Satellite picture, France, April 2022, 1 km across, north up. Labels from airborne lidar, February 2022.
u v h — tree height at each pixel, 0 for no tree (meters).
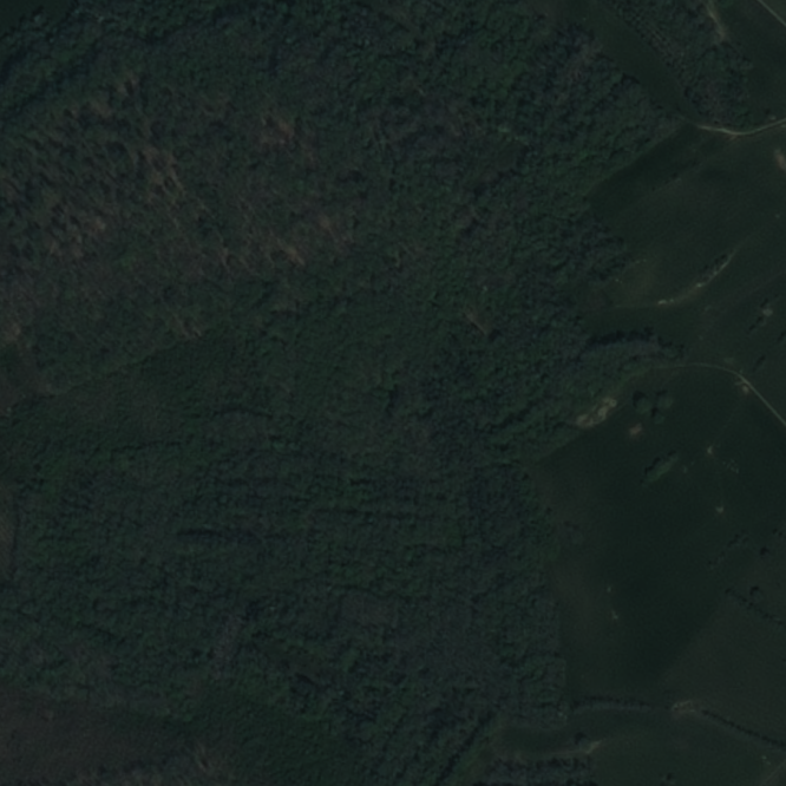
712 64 26
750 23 0
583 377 27
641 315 0
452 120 27
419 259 25
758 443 0
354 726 24
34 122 32
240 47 28
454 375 20
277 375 29
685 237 0
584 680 0
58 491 25
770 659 0
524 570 22
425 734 26
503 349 23
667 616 0
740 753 0
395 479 24
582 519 0
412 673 28
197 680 29
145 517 26
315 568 29
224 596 25
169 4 20
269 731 15
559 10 0
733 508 0
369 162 34
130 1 22
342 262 23
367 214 33
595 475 0
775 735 0
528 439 22
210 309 29
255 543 33
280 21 32
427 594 29
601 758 0
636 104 21
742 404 0
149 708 26
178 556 29
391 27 25
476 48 31
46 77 28
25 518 25
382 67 25
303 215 28
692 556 0
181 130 29
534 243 16
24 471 10
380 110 28
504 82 31
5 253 0
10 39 9
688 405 0
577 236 22
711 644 0
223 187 26
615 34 0
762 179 0
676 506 0
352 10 24
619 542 0
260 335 27
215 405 17
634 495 0
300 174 30
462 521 18
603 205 0
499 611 24
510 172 0
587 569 0
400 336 27
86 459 22
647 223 0
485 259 24
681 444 0
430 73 26
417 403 24
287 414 27
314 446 23
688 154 0
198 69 29
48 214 33
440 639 24
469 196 30
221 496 16
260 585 36
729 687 0
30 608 32
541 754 0
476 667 27
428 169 26
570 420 18
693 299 0
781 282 0
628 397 0
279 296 24
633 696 0
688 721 0
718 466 0
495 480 24
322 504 31
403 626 26
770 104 0
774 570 0
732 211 0
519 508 26
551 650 23
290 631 16
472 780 0
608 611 0
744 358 0
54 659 29
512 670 20
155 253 29
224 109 29
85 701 17
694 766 0
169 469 25
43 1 0
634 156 17
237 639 27
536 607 15
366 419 30
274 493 29
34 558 29
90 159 30
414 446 21
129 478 23
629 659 0
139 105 30
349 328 24
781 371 0
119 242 27
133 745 12
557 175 22
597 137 26
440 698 22
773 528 0
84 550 17
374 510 25
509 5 23
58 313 28
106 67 31
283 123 28
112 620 30
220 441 28
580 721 0
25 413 12
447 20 24
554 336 18
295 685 21
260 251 28
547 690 16
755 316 0
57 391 31
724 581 0
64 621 28
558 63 33
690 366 0
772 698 0
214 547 29
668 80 0
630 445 0
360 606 26
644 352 28
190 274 30
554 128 26
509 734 0
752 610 8
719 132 0
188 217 25
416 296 24
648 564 0
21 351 0
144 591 30
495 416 26
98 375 22
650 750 0
